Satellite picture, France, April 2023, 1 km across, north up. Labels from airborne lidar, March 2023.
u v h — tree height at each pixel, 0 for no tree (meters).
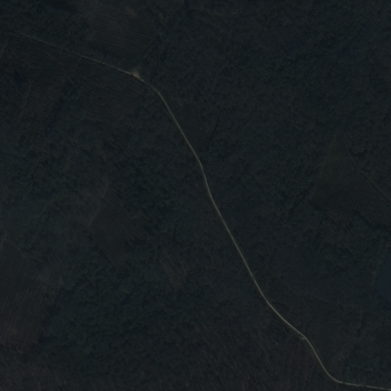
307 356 17
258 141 23
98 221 0
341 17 23
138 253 29
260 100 24
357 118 24
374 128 22
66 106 22
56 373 27
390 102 23
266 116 22
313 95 24
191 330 23
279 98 21
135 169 23
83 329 24
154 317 22
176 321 22
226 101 23
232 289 18
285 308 7
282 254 22
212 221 26
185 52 24
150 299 29
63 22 21
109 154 24
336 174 0
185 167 21
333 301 19
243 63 12
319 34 20
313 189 20
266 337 24
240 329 25
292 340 18
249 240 21
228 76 19
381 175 22
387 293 0
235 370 24
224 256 23
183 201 18
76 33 28
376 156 26
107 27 0
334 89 21
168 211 24
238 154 31
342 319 9
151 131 27
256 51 29
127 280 28
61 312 22
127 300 6
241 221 31
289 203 22
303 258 23
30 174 15
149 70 28
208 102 25
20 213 22
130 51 0
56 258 30
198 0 24
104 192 23
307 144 24
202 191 16
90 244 27
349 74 23
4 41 28
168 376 22
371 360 19
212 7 19
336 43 24
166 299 21
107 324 25
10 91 20
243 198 25
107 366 22
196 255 20
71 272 25
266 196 26
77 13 23
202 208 26
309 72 21
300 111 20
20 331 0
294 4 22
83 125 21
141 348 22
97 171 26
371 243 28
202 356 26
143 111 16
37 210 23
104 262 25
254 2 27
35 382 24
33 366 28
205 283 20
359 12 22
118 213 0
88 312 23
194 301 26
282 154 21
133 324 25
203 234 27
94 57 15
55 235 23
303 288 23
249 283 22
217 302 28
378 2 18
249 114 24
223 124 22
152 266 22
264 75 25
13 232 27
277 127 24
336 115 17
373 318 25
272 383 20
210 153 20
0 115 24
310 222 25
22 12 22
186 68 27
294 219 24
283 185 20
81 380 27
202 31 22
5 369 26
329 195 0
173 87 23
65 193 13
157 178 22
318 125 23
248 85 21
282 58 25
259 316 23
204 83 18
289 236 25
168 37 21
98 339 25
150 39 0
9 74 17
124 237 0
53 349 27
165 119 25
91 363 25
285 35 18
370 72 18
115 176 25
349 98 23
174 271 23
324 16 28
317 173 18
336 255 27
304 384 15
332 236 25
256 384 20
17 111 25
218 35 22
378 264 19
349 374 24
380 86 24
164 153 18
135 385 29
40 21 20
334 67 21
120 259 0
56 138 23
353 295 23
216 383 28
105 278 22
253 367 24
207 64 17
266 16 23
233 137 20
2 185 25
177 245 24
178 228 24
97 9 0
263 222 24
